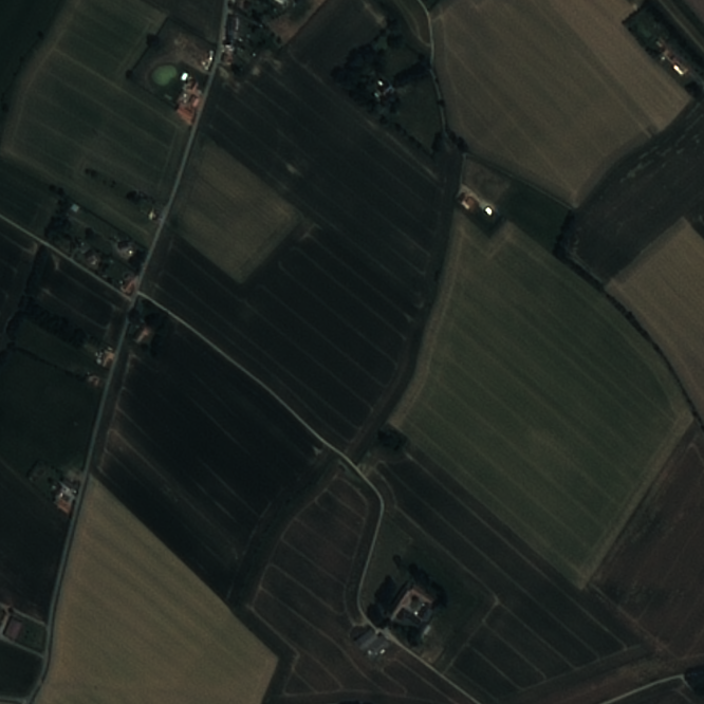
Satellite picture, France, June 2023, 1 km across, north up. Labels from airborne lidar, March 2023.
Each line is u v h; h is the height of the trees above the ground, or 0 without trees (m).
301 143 0
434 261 0
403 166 0
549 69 0
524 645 0
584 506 0
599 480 0
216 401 0
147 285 0
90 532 0
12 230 0
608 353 0
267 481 0
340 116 0
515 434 0
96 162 0
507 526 0
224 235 0
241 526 0
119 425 0
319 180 0
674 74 0
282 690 0
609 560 0
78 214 0
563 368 0
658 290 0
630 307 0
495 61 0
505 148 0
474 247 0
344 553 0
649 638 0
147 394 0
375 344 0
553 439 0
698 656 0
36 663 0
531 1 0
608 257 0
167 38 0
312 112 0
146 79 0
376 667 0
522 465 0
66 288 0
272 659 0
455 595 0
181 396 0
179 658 0
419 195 0
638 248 0
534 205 0
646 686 0
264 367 0
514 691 0
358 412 0
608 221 0
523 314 0
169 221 0
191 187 0
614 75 0
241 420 0
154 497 0
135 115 0
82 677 0
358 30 0
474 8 0
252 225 0
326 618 0
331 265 0
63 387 0
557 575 0
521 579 0
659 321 0
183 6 0
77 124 0
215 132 0
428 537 0
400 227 0
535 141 0
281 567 0
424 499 0
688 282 0
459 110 0
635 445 0
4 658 0
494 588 0
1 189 0
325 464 0
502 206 0
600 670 0
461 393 0
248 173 0
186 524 0
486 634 0
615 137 0
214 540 0
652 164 0
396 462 0
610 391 0
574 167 0
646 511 0
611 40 0
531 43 0
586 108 0
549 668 0
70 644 0
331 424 0
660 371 0
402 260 0
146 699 0
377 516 0
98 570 0
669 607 0
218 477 0
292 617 0
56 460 0
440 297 0
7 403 0
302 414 0
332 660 0
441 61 0
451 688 0
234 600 0
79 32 0
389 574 0
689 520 0
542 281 0
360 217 0
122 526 0
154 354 11
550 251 0
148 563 0
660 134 0
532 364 0
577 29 0
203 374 0
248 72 0
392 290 0
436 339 0
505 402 0
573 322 0
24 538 0
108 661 0
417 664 0
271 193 0
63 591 0
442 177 0
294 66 0
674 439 0
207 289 0
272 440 0
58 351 0
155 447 0
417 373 0
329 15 0
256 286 0
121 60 0
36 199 0
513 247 0
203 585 0
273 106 0
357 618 0
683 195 0
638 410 0
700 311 0
